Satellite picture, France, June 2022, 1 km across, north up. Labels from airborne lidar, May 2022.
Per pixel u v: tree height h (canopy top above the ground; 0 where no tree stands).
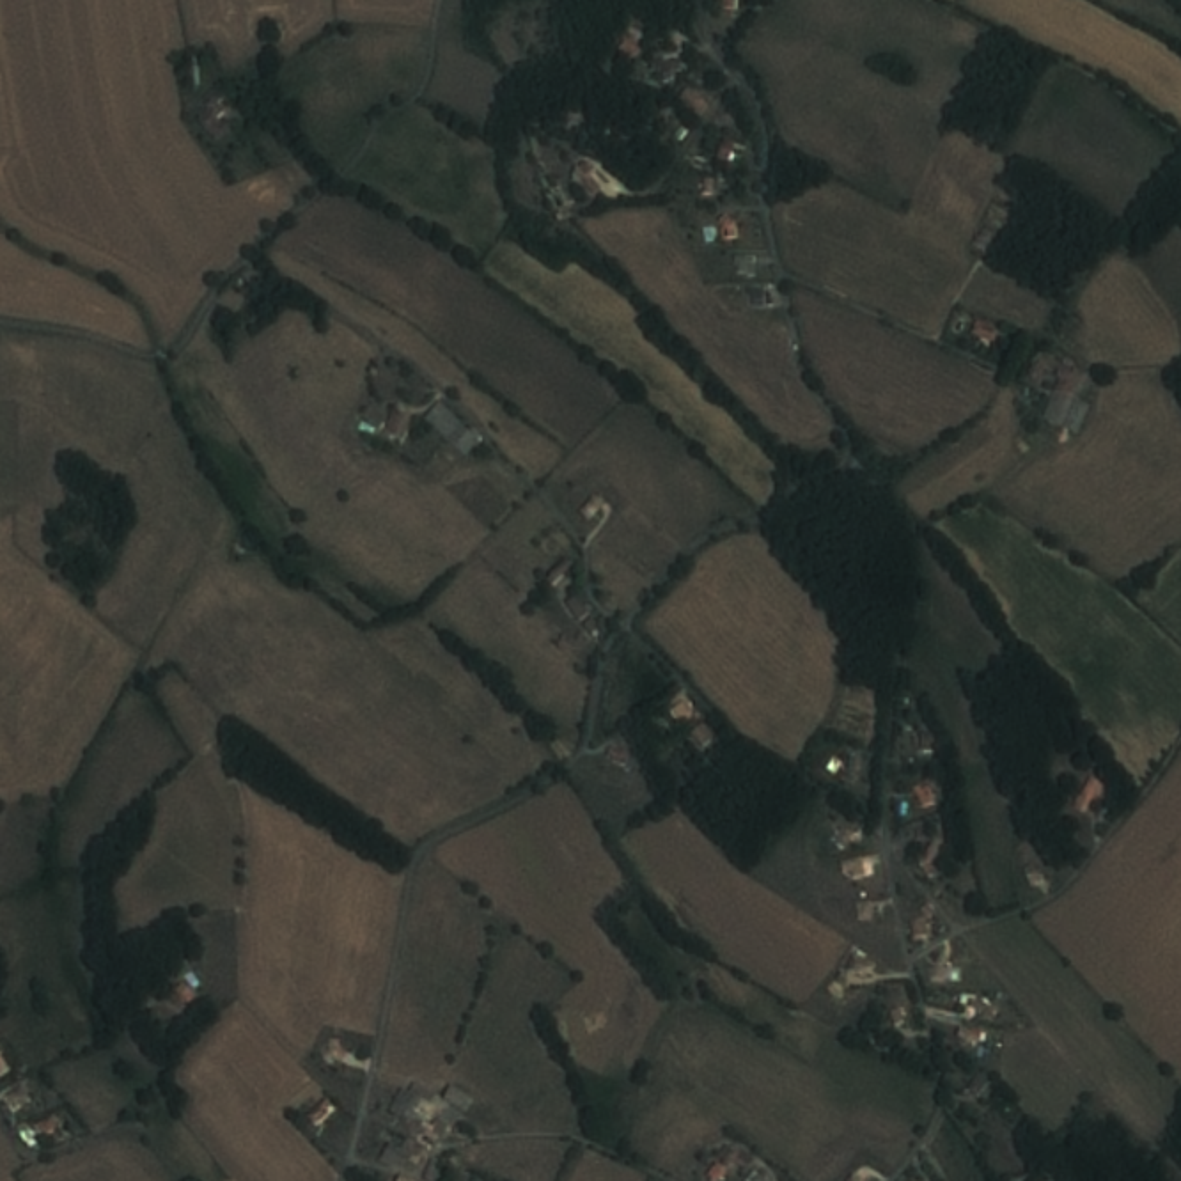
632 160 15
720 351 0
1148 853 0
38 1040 0
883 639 24
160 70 0
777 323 0
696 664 0
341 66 0
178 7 0
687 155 0
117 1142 0
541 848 0
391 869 14
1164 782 0
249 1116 0
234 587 0
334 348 0
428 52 0
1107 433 0
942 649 0
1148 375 0
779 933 0
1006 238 15
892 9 0
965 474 0
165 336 0
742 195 9
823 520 16
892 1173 0
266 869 0
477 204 0
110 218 0
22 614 0
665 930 27
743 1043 0
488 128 7
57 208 0
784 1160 0
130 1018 17
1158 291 0
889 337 0
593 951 0
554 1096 0
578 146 12
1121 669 0
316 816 14
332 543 0
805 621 0
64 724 0
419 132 0
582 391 0
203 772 0
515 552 0
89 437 0
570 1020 0
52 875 8
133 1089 0
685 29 6
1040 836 19
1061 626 0
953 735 11
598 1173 0
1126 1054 0
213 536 0
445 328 0
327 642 0
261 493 0
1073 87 0
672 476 0
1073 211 17
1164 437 0
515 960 0
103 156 0
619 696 0
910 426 0
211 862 0
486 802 0
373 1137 0
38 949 0
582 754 0
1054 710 21
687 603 0
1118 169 0
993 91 16
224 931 0
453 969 0
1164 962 0
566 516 0
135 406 0
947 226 0
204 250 0
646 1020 0
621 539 0
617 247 0
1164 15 0
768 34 0
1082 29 0
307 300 17
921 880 5
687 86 8
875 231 0
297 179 0
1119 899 0
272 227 14
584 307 0
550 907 0
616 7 12
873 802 11
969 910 11
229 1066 0
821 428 0
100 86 0
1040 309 0
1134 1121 0
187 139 0
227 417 0
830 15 0
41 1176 0
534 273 0
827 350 0
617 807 0
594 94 16
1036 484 0
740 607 0
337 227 0
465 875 0
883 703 14
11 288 0
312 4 0
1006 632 13
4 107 0
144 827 17
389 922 0
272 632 0
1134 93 8
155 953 20
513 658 0
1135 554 0
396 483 0
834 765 0
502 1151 0
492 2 11
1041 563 0
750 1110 0
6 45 0
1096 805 11
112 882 16
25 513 0
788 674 0
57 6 0
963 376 0
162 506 0
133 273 0
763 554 0
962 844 15
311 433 0
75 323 0
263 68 15
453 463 0
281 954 0
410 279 0
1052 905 0
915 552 17
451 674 0
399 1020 0
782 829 10
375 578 0
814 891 0
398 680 0
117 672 0
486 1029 0
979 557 0
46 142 0
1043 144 0
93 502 10
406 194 0
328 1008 0
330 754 0
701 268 0
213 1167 0
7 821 0
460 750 0
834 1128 0
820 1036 0
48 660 0
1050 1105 0
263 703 0
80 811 0
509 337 0
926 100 0
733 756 18
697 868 0
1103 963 0
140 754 0
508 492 0
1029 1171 12
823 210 0
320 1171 0
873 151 0
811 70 0
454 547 0
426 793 0
